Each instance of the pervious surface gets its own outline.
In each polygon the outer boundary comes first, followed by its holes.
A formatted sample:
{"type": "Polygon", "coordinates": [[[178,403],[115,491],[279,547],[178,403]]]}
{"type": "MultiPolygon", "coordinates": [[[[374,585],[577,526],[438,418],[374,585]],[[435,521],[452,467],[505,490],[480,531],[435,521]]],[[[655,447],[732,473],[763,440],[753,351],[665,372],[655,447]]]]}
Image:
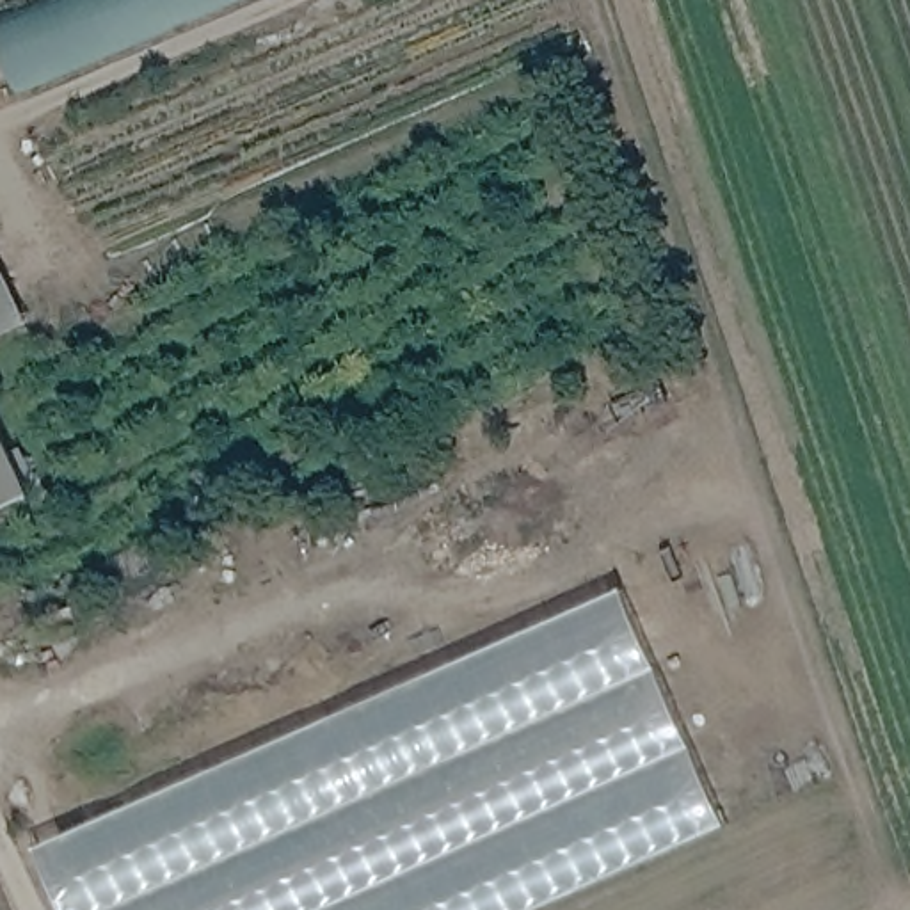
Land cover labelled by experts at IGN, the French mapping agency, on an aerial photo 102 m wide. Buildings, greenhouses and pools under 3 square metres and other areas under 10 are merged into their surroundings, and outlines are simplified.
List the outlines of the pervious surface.
{"type": "Polygon", "coordinates": [[[28,818],[50,821],[64,814],[53,803],[50,757],[53,743],[64,736],[78,707],[117,697],[124,686],[146,683],[174,668],[196,668],[199,675],[206,675],[213,672],[213,661],[224,661],[238,643],[267,636],[288,622],[370,622],[391,611],[412,615],[416,608],[427,608],[437,619],[451,604],[469,611],[480,597],[494,597],[494,604],[505,615],[512,615],[601,572],[619,572],[629,558],[658,576],[658,540],[675,537],[690,523],[711,519],[739,519],[746,533],[757,537],[761,558],[778,551],[771,508],[757,491],[754,469],[743,462],[736,427],[722,430],[718,423],[700,430],[697,419],[679,419],[658,430],[654,437],[622,437],[579,459],[572,480],[562,487],[562,519],[540,544],[533,544],[537,562],[523,565],[519,572],[505,572],[494,583],[473,583],[469,576],[455,572],[437,587],[419,587],[395,572],[384,572],[377,579],[341,579],[313,594],[284,590],[270,604],[231,611],[228,626],[203,622],[188,636],[174,636],[160,647],[146,647],[142,654],[96,665],[71,686],[28,686],[21,697],[0,700],[0,910],[43,910],[25,874],[25,864],[14,850],[18,835],[28,818]]]}
{"type": "Polygon", "coordinates": [[[60,192],[32,188],[11,160],[11,135],[18,128],[64,107],[71,96],[89,96],[110,82],[135,75],[139,64],[135,57],[121,57],[50,92],[0,107],[0,281],[14,309],[21,313],[25,327],[103,327],[114,313],[114,306],[100,299],[107,291],[107,267],[100,263],[100,252],[110,249],[110,238],[96,228],[78,224],[75,206],[60,199],[60,192]]]}
{"type": "Polygon", "coordinates": [[[167,57],[185,57],[206,43],[249,28],[306,0],[256,0],[235,14],[164,39],[160,53],[146,57],[142,64],[164,68],[167,57]]]}

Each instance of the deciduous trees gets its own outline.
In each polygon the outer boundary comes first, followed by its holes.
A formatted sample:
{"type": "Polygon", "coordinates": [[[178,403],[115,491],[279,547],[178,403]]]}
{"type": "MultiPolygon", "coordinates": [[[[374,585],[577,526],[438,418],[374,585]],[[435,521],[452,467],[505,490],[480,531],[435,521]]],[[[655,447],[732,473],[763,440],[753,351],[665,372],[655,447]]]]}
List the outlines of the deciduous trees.
{"type": "Polygon", "coordinates": [[[213,78],[213,71],[256,68],[270,57],[270,50],[252,39],[249,28],[206,43],[185,57],[167,57],[164,68],[142,64],[139,64],[135,75],[110,82],[89,96],[71,96],[64,107],[57,128],[64,135],[75,135],[85,128],[110,124],[135,110],[149,110],[153,103],[167,103],[178,92],[192,92],[213,78]]]}
{"type": "Polygon", "coordinates": [[[523,75],[512,100],[491,100],[476,114],[462,117],[455,128],[441,128],[448,146],[423,142],[409,164],[380,174],[377,185],[355,185],[341,192],[323,206],[320,217],[302,217],[291,206],[259,206],[256,217],[245,228],[238,228],[238,245],[228,245],[224,238],[210,242],[199,263],[174,267],[164,284],[142,291],[135,302],[146,316],[132,323],[124,334],[110,334],[110,348],[100,348],[92,341],[82,348],[64,345],[57,355],[25,359],[18,370],[7,370],[0,377],[0,416],[7,434],[28,451],[50,448],[60,455],[50,476],[43,476],[46,501],[21,501],[0,512],[0,587],[28,587],[68,572],[71,590],[78,590],[68,608],[75,608],[71,636],[78,636],[89,633],[92,615],[103,611],[110,619],[124,608],[128,597],[153,597],[156,590],[181,583],[196,565],[203,565],[213,555],[203,533],[220,530],[224,523],[270,530],[288,519],[295,537],[348,537],[355,530],[359,508],[387,508],[395,501],[405,501],[437,483],[455,466],[459,427],[469,416],[483,419],[487,437],[498,448],[508,444],[512,419],[505,412],[498,387],[508,377],[547,373],[555,398],[583,398],[583,363],[590,352],[597,352],[608,366],[615,395],[668,384],[672,373],[690,377],[704,366],[707,348],[700,331],[690,327],[686,316],[700,309],[690,299],[690,288],[668,281],[668,274],[661,270],[661,259],[672,245],[661,235],[665,224],[651,220],[643,210],[636,174],[629,171],[622,185],[611,181],[611,171],[622,164],[615,146],[619,124],[615,110],[601,114],[601,96],[583,82],[590,57],[583,50],[579,57],[551,60],[544,71],[523,75]]]}

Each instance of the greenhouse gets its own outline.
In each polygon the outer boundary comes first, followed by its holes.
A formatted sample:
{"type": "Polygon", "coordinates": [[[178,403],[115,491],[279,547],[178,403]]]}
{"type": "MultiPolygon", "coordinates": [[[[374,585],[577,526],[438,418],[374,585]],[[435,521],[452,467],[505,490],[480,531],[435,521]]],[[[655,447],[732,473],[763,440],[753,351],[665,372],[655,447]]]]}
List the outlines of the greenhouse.
{"type": "Polygon", "coordinates": [[[732,814],[722,807],[718,786],[711,782],[711,771],[700,761],[693,722],[683,714],[683,704],[668,683],[668,665],[679,661],[679,651],[658,654],[654,640],[640,622],[633,594],[622,583],[619,590],[594,594],[572,608],[562,608],[444,665],[409,675],[380,693],[370,693],[291,732],[256,743],[203,771],[167,782],[75,828],[64,828],[46,839],[18,835],[14,850],[25,864],[25,874],[43,910],[537,910],[587,885],[597,885],[608,874],[622,874],[633,864],[647,864],[661,853],[672,853],[683,842],[697,842],[700,835],[718,828],[718,821],[729,825],[732,814]]]}

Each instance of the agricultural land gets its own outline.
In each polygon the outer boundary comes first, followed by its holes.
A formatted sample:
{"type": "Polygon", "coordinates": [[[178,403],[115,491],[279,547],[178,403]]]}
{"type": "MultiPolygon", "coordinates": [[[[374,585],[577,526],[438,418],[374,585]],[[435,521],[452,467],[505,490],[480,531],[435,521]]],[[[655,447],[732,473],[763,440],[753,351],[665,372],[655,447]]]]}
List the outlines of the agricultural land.
{"type": "Polygon", "coordinates": [[[697,277],[707,284],[711,295],[711,313],[704,316],[700,331],[707,348],[704,366],[690,377],[672,373],[668,384],[668,398],[675,402],[679,419],[697,419],[700,430],[718,423],[722,430],[736,427],[743,462],[754,469],[757,491],[771,508],[778,551],[786,558],[786,583],[800,594],[800,604],[810,615],[821,658],[835,686],[835,700],[850,725],[853,746],[864,761],[874,807],[853,818],[850,796],[846,789],[839,789],[835,796],[818,793],[814,800],[796,803],[786,796],[775,810],[750,818],[746,825],[729,825],[718,821],[718,828],[700,835],[697,842],[683,842],[672,853],[661,853],[647,864],[633,864],[622,874],[608,874],[597,885],[587,885],[537,910],[910,910],[910,0],[306,0],[249,28],[252,39],[270,50],[270,57],[256,68],[213,71],[213,78],[192,92],[178,92],[167,103],[153,103],[149,110],[135,110],[110,124],[85,128],[75,135],[64,135],[57,128],[64,107],[18,128],[11,135],[11,160],[32,188],[60,192],[60,199],[75,206],[78,224],[96,228],[110,238],[110,249],[100,252],[100,263],[107,267],[107,291],[100,299],[114,306],[114,313],[124,313],[135,302],[142,291],[164,284],[174,267],[199,263],[210,242],[224,238],[228,245],[238,245],[238,228],[245,228],[256,217],[259,206],[291,206],[302,217],[320,217],[323,206],[341,192],[355,185],[377,185],[380,174],[409,164],[423,142],[448,146],[441,128],[455,128],[462,117],[476,114],[491,100],[512,100],[523,75],[544,71],[551,60],[579,57],[583,50],[590,57],[604,43],[619,43],[622,36],[629,43],[668,164],[668,196],[675,196],[686,213],[686,252],[693,256],[697,277]]]}
{"type": "Polygon", "coordinates": [[[135,57],[139,64],[142,64],[146,57],[160,53],[164,39],[235,14],[256,0],[206,0],[192,11],[178,11],[164,21],[146,25],[139,36],[124,36],[114,46],[92,50],[78,60],[32,75],[14,89],[0,82],[0,107],[50,92],[121,57],[135,57]]]}

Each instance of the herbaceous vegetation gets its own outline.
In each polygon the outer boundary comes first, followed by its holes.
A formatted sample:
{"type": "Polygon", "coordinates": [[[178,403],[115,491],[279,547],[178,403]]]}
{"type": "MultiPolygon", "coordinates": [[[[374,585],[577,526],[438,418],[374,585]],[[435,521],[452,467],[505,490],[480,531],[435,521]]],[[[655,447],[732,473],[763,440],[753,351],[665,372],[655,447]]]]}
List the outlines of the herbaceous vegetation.
{"type": "Polygon", "coordinates": [[[124,313],[114,313],[103,327],[25,327],[0,338],[0,377],[7,370],[18,370],[25,359],[57,355],[64,345],[82,348],[92,341],[100,348],[110,348],[110,334],[124,334],[132,323],[146,316],[135,302],[124,313]]]}
{"type": "Polygon", "coordinates": [[[370,693],[380,693],[409,675],[444,665],[562,608],[572,608],[594,594],[619,590],[622,583],[633,594],[640,622],[654,640],[658,654],[679,651],[679,661],[668,665],[668,683],[683,704],[683,714],[693,722],[700,761],[711,771],[711,782],[718,786],[722,807],[732,814],[729,825],[746,825],[750,818],[775,810],[786,796],[796,803],[814,800],[818,793],[835,796],[839,789],[846,789],[850,796],[853,818],[874,807],[864,761],[853,746],[850,725],[835,700],[835,686],[821,658],[810,615],[800,604],[800,594],[786,583],[786,558],[778,551],[761,558],[757,537],[746,533],[739,519],[711,519],[690,523],[675,537],[658,540],[658,576],[629,558],[619,572],[601,572],[512,615],[505,615],[494,604],[494,597],[480,597],[469,611],[451,604],[437,619],[427,608],[416,608],[412,615],[391,611],[370,622],[288,622],[267,636],[238,643],[224,661],[213,661],[213,672],[206,675],[199,675],[196,668],[174,668],[146,683],[124,686],[117,697],[78,707],[64,736],[53,743],[50,757],[53,803],[64,814],[50,821],[28,818],[18,835],[46,839],[64,828],[75,828],[167,782],[203,771],[256,743],[291,732],[370,693]]]}
{"type": "Polygon", "coordinates": [[[651,220],[665,224],[661,235],[672,245],[661,259],[661,270],[668,274],[668,281],[690,288],[690,299],[700,309],[686,316],[690,327],[700,331],[704,316],[711,313],[711,295],[707,284],[697,277],[693,256],[686,252],[686,213],[675,196],[668,196],[668,164],[629,43],[622,36],[619,43],[604,43],[590,57],[583,82],[601,96],[601,114],[615,110],[619,124],[615,146],[622,164],[611,171],[611,181],[622,185],[629,171],[636,174],[643,210],[651,220]]]}
{"type": "Polygon", "coordinates": [[[50,476],[60,455],[50,448],[28,451],[7,434],[0,416],[0,448],[7,455],[11,476],[21,487],[21,501],[46,501],[43,476],[50,476]]]}
{"type": "Polygon", "coordinates": [[[455,466],[437,483],[405,501],[395,501],[387,508],[359,508],[355,530],[348,537],[295,537],[288,519],[270,530],[224,523],[220,530],[203,533],[213,555],[203,565],[196,565],[181,583],[156,590],[153,597],[128,597],[124,608],[110,619],[103,611],[92,615],[89,633],[78,636],[71,636],[75,608],[68,608],[78,590],[71,590],[68,572],[28,587],[0,587],[0,700],[21,697],[28,686],[71,686],[96,665],[142,654],[146,647],[160,647],[174,636],[188,636],[203,622],[228,626],[231,611],[270,604],[284,590],[313,594],[341,579],[377,579],[384,572],[395,572],[419,587],[437,587],[455,572],[469,576],[473,583],[494,583],[505,572],[519,572],[523,565],[537,562],[533,544],[540,544],[562,519],[562,487],[572,480],[579,459],[622,437],[654,437],[658,430],[679,419],[675,402],[668,398],[668,384],[615,395],[608,366],[597,352],[590,352],[583,363],[583,398],[555,398],[547,373],[508,377],[498,387],[505,412],[512,419],[508,444],[498,448],[487,437],[483,419],[469,416],[459,427],[455,466]]]}

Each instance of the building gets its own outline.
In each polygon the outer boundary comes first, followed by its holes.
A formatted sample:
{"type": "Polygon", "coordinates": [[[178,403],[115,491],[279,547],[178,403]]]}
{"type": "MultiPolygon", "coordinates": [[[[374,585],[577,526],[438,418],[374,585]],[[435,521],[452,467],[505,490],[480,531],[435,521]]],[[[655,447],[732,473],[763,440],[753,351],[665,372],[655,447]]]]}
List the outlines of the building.
{"type": "Polygon", "coordinates": [[[0,0],[0,82],[14,89],[32,75],[78,60],[92,50],[114,46],[124,36],[139,36],[146,25],[164,21],[178,11],[192,11],[206,0],[0,0]]]}
{"type": "Polygon", "coordinates": [[[11,476],[7,455],[0,448],[0,512],[21,501],[21,487],[11,476]]]}
{"type": "Polygon", "coordinates": [[[0,281],[0,338],[25,327],[21,313],[14,309],[0,281]]]}

